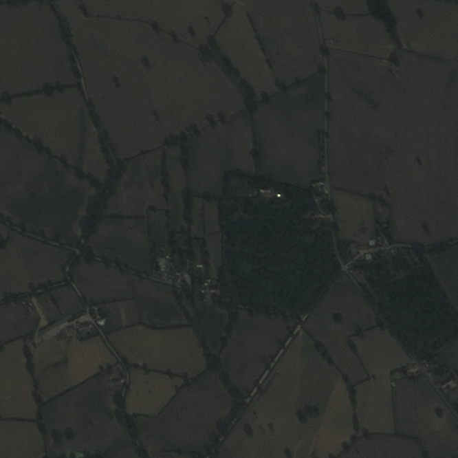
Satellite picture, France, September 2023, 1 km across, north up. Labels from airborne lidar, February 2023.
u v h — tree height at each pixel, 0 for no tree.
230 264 13
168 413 0
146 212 0
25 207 0
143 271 0
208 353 14
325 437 0
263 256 16
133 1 0
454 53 0
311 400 0
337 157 0
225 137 0
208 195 13
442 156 0
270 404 0
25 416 0
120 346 0
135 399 0
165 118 0
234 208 12
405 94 0
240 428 0
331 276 16
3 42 0
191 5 0
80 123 0
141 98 0
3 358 0
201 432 0
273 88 0
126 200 0
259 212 18
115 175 20
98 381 0
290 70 0
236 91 0
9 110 0
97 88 0
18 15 0
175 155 0
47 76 0
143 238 0
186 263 6
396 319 21
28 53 0
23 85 0
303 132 0
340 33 0
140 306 0
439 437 0
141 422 0
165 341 0
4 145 0
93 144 0
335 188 0
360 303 0
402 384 0
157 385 0
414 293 21
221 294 16
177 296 18
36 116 0
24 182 0
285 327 0
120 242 0
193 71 0
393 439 0
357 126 0
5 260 0
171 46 0
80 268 0
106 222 0
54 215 0
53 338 0
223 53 0
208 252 16
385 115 0
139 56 0
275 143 0
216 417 0
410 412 0
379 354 0
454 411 0
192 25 0
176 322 0
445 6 0
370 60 0
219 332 0
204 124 0
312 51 0
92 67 0
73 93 0
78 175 18
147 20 0
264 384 0
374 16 17
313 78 0
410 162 0
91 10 0
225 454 0
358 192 0
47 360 0
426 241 0
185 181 0
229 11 16
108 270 0
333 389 0
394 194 0
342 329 0
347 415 0
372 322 0
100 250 0
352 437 7
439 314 12
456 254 0
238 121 0
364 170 0
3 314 0
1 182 0
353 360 0
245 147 0
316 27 0
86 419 0
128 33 0
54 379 0
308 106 0
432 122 0
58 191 0
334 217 0
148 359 0
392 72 10
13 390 0
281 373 0
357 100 0
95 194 0
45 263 0
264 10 0
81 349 0
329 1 0
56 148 0
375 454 0
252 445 0
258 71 0
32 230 0
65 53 0
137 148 0
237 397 19
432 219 0
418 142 0
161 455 0
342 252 8
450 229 0
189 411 0
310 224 9
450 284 0
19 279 0
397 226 0
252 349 0
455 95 0
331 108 0
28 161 0
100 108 0
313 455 0
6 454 0
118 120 0
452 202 0
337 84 0
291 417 0
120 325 0
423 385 0
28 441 0
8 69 0
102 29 0
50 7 14
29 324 0
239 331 0
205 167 0
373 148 0
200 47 0
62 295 0
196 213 0
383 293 15
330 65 0
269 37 0
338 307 0
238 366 0
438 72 0
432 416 0
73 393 0
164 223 0
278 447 0
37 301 0
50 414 0
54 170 0
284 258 17
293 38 0
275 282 11
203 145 0
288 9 0
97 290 0
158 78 0
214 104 0
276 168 0
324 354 18
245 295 16
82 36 0
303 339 0
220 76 0
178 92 0
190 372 0
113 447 0
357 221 0
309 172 0
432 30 0
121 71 0
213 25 0
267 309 15
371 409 0
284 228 17
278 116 0
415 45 0
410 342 18
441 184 0
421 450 0
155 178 0
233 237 21
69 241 0
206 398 0
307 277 18
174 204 0
